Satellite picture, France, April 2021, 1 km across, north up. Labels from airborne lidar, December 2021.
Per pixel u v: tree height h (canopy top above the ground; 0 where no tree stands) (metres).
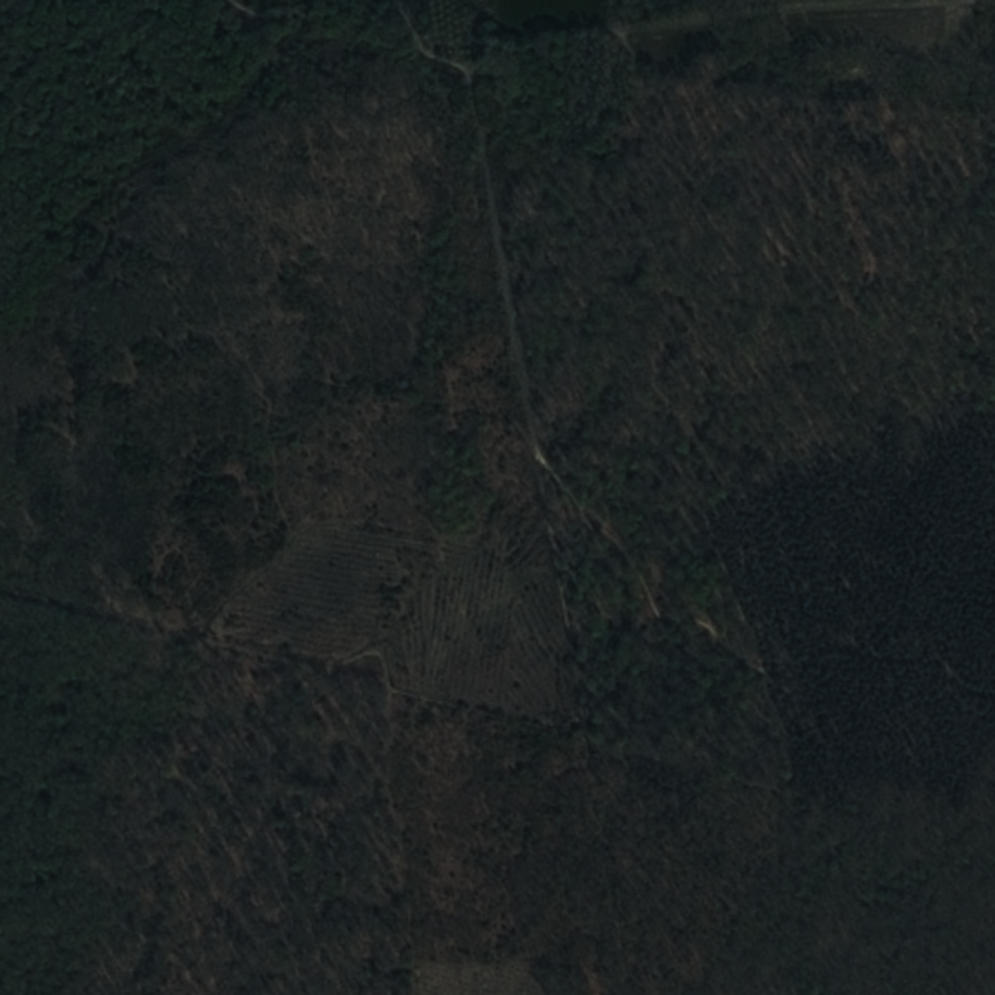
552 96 28
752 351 31
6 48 26
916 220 30
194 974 28
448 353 9
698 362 35
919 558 22
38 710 27
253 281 15
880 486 24
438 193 18
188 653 25
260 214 17
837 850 7
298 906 30
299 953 29
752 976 16
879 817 20
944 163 30
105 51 28
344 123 12
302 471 9
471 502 22
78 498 19
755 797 18
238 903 31
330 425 10
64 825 30
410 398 12
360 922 31
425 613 0
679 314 33
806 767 22
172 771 29
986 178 29
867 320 29
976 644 24
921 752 20
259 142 18
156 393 14
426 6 18
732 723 29
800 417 29
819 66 23
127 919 30
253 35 31
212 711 19
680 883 17
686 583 29
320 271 11
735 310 33
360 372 11
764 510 24
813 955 20
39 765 29
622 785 20
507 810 10
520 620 0
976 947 13
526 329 25
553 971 19
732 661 29
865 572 18
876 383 29
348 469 10
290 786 16
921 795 18
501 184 6
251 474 12
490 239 5
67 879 29
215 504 8
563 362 29
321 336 16
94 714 27
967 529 21
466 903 8
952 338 29
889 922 15
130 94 25
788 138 28
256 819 29
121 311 15
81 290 18
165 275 10
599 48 29
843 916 16
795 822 15
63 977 27
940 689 20
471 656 0
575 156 32
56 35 29
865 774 23
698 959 18
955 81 27
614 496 28
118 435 18
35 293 15
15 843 31
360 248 16
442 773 8
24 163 26
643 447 15
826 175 23
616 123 30
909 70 20
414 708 17
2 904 30
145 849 28
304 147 13
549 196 16
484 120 14
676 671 17
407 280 21
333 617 0
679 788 17
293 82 16
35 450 18
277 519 11
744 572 25
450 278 12
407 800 8
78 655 30
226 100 7
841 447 23
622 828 17
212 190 15
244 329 14
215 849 25
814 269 31
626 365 30
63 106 29
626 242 39
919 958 16
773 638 22
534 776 14
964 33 0
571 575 30
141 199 8
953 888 16
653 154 28
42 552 19
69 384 8
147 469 15
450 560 0
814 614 22
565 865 18
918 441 23
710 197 31
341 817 29
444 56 15
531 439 0
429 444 18
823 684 18
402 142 18
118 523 18
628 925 21
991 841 18
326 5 19
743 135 30
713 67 26
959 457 19
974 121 30
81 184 24
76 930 30
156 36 27
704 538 27
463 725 6
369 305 10
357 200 14
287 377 14
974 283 31
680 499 29
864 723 18
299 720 28
